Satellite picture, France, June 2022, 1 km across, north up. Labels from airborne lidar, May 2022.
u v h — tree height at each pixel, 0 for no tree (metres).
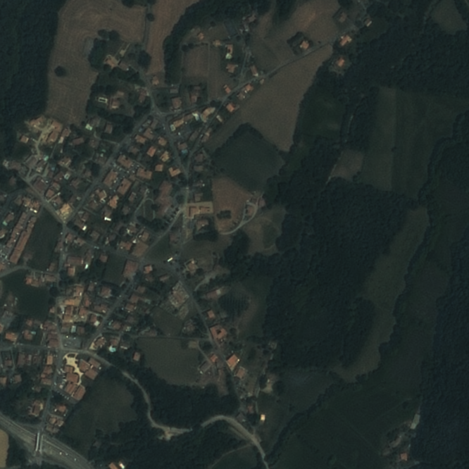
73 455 0
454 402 27
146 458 21
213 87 0
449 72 22
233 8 16
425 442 21
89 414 0
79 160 15
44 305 0
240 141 0
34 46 27
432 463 22
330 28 0
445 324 24
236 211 0
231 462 0
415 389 0
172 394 25
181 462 21
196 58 0
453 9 0
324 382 0
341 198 17
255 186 0
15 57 29
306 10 0
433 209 23
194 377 0
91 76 0
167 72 12
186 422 23
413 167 0
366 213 16
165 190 0
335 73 10
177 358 0
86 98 0
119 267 0
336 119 0
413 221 0
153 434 22
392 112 0
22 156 0
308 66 0
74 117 0
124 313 7
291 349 11
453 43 16
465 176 19
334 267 24
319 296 12
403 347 0
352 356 13
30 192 0
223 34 0
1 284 0
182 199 9
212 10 27
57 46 0
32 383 9
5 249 0
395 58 28
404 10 24
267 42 0
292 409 12
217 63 0
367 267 16
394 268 0
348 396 0
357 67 25
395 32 25
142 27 0
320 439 0
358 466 0
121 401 0
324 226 22
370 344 0
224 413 13
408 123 0
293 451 0
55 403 11
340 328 15
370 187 17
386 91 0
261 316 0
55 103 0
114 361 24
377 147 0
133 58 13
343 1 11
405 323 22
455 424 24
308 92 8
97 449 14
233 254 25
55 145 0
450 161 19
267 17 0
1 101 17
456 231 0
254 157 0
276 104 0
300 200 22
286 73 0
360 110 13
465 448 23
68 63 0
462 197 0
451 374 26
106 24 0
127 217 10
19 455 14
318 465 0
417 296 0
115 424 0
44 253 0
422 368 9
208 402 29
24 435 0
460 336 25
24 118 19
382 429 0
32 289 0
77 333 6
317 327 0
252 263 14
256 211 0
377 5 13
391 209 14
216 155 6
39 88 22
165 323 0
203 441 18
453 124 0
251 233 0
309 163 21
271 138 0
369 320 14
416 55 22
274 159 0
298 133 13
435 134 0
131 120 18
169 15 0
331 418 0
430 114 0
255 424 14
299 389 0
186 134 0
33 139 0
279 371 9
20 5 31
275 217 0
